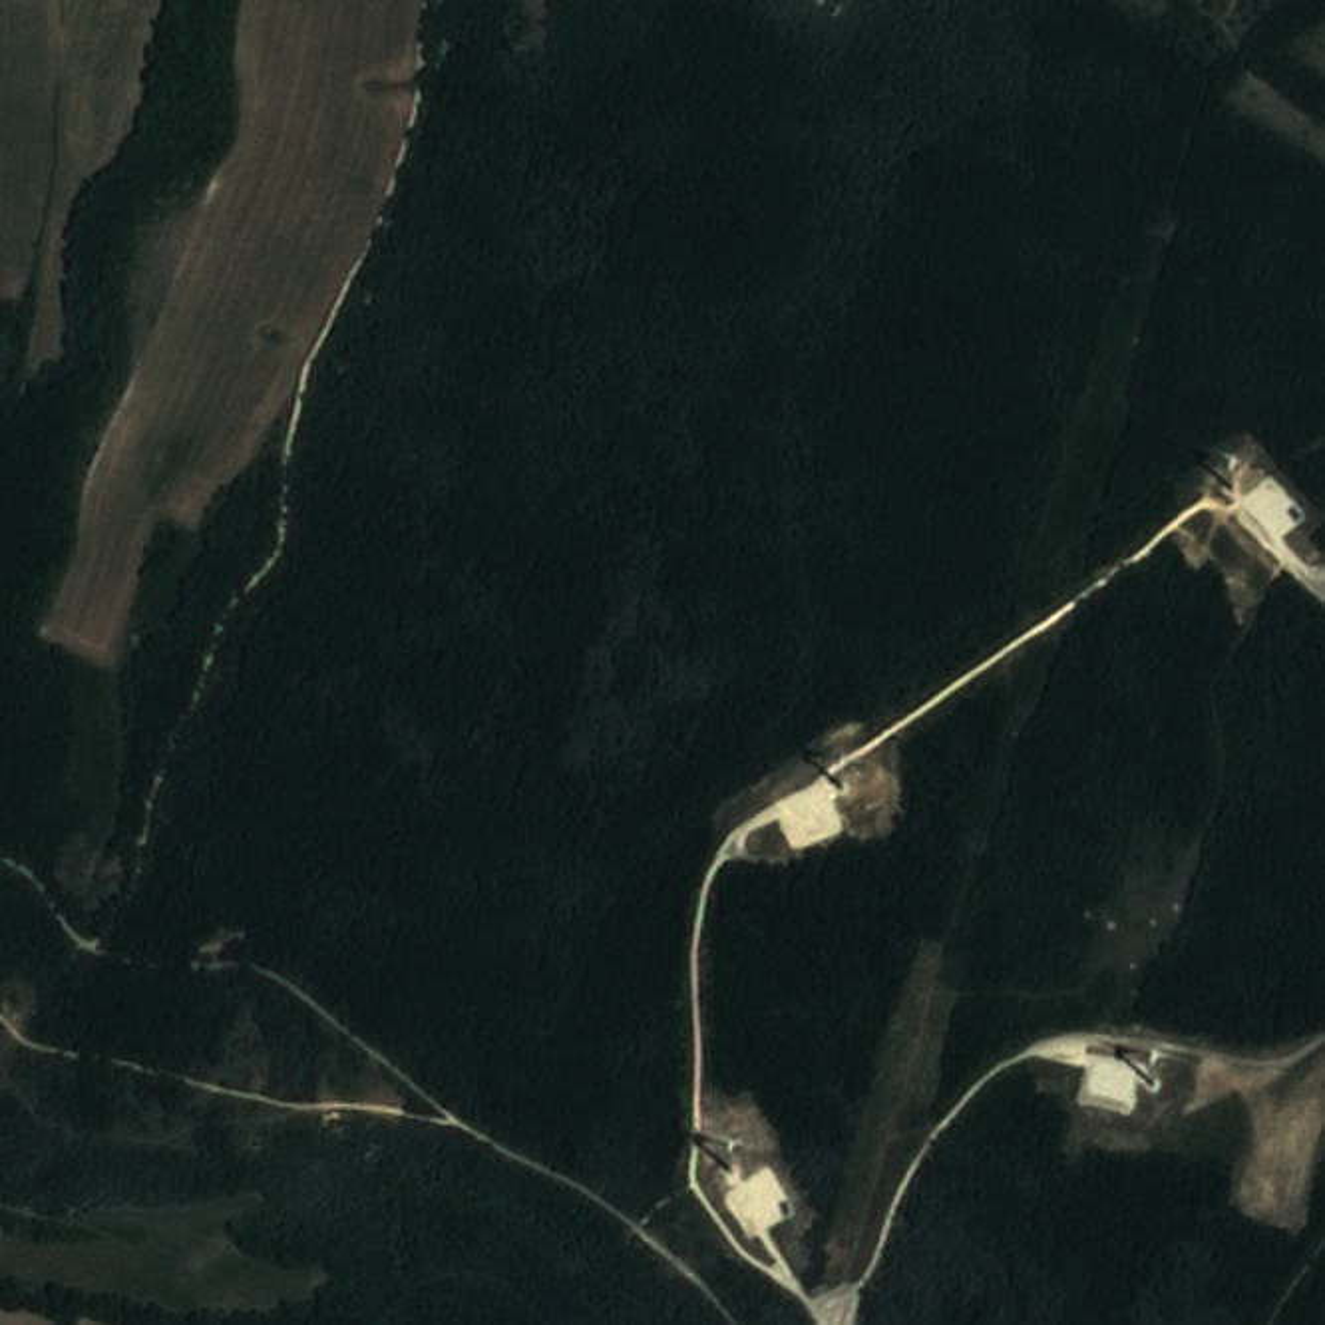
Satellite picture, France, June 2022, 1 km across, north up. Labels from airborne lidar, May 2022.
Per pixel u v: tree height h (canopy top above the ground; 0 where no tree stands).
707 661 10
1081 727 9
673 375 9
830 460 10
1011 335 13
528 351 12
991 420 12
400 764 9
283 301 0
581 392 13
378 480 11
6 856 9
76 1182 7
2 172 0
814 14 6
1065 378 9
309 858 9
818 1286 6
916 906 11
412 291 10
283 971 8
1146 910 0
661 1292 6
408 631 11
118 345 7
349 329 9
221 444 0
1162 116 9
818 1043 10
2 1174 6
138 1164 6
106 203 14
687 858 10
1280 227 8
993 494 13
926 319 10
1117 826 7
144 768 10
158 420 0
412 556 10
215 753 9
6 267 0
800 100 13
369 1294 8
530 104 7
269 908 10
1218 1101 0
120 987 12
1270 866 9
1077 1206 11
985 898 7
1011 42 9
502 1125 6
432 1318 7
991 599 12
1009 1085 7
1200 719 9
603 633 12
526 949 10
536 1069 8
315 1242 10
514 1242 9
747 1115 0
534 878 10
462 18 7
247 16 0
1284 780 10
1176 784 11
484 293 10
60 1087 7
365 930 13
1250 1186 0
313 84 0
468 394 10
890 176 12
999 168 9
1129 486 9
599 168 11
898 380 12
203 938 8
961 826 9
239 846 8
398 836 9
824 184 12
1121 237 8
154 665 9
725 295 10
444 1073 8
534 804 12
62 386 13
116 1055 11
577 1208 7
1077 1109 0
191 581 11
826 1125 9
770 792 0
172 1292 0
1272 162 11
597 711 6
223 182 0
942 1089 6
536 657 10
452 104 9
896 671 8
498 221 8
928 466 12
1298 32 12
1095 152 8
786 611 10
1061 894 5
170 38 16
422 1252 11
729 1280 8
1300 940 11
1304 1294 8
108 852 6
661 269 7
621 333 11
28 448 14
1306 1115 0
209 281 0
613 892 8
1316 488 8
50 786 10
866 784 0
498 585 5
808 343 10
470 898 11
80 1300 16
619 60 8
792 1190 0
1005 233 11
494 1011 12
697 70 10
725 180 9
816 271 9
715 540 10
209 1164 6
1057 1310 9
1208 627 11
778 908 11
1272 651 12
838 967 11
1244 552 0
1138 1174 10
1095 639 11
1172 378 8
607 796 10
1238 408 9
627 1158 7
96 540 0
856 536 12
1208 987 9
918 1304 9
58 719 10
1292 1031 11
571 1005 9
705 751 12
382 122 0
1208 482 0
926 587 13
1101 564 11
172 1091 7
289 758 12
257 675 10
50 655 8
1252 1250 9
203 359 0
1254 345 8
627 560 9
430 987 12
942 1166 9
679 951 7
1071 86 8
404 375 7
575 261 9
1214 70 12
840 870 11
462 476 7
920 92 11
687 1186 0
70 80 0
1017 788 9
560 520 12
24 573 9
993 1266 7
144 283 0
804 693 8
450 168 8
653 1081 6
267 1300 0
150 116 15
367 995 6
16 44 0
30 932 9
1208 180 9
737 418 11
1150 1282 9
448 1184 10
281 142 0
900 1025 0
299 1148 6
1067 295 9
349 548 12
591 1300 10
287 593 11
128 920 8
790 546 6
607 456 12
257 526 8
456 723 9
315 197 0
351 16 0
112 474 0
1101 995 6
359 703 9
